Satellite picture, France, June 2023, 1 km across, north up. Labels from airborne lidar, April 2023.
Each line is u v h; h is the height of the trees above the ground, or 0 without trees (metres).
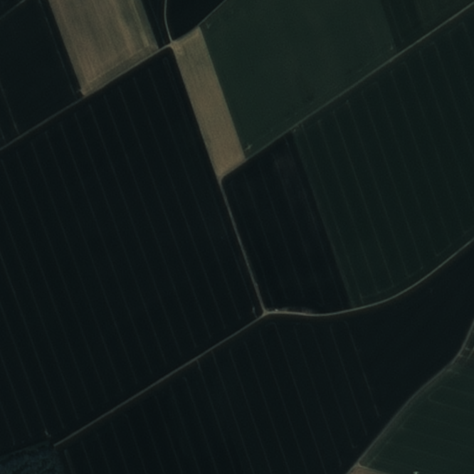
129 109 0
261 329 0
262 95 0
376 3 0
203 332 0
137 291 0
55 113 0
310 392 0
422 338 0
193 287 0
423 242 0
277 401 0
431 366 0
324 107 0
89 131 0
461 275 0
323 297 0
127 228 0
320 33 0
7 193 0
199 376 0
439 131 0
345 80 0
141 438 0
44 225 0
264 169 0
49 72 0
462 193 0
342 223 0
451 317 0
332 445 0
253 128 0
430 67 0
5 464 17
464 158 0
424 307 0
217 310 0
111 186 0
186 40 0
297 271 0
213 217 0
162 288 0
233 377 0
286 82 0
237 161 0
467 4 0
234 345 0
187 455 0
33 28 0
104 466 0
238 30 0
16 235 0
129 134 0
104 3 0
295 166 0
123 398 0
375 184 0
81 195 0
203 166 0
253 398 0
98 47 0
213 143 0
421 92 0
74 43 0
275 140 0
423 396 0
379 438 0
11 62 0
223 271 0
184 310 0
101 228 0
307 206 0
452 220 0
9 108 0
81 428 0
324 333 0
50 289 0
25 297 0
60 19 0
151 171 0
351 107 0
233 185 0
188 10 0
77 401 0
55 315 0
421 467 0
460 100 0
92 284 0
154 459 0
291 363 0
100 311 0
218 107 0
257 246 0
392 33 0
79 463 0
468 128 0
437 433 0
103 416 0
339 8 0
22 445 0
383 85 0
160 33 0
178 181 0
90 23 0
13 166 0
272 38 0
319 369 0
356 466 0
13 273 0
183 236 0
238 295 0
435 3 0
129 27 0
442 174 0
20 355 0
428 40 0
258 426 0
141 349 0
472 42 0
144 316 0
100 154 0
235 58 0
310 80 0
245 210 0
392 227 0
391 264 0
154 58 0
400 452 0
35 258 0
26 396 0
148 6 0
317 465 0
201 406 0
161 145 0
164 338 0
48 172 0
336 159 0
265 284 0
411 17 0
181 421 0
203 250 0
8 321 0
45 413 0
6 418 0
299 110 0
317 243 0
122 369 0
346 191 0
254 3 0
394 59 0
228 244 0
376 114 0
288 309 0
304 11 0
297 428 0
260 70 0
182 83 0
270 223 0
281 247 0
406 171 0
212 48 0
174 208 0
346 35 0
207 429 0
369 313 0
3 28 0
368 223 0
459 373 0
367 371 0
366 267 0
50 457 20
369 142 0
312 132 0
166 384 0
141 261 0
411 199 0
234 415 0
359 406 0
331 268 0
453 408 0
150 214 0
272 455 0
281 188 0
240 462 0
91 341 0
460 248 0
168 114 0
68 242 0
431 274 0
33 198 0
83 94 0
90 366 0
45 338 0
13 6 0
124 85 0
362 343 0
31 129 0
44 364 0
